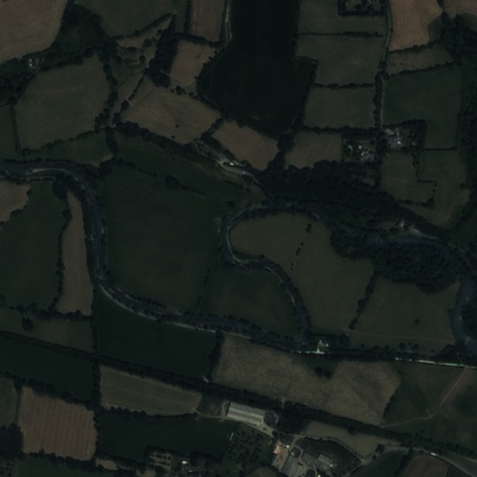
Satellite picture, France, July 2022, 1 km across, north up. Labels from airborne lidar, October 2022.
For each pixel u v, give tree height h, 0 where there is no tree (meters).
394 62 0
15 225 0
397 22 0
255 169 6
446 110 0
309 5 0
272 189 14
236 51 0
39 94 0
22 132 0
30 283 0
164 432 0
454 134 0
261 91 0
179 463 6
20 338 7
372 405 0
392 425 0
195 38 13
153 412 0
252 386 0
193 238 0
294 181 20
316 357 12
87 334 0
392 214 16
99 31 15
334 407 0
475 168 6
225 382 0
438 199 0
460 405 0
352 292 0
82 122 0
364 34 12
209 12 0
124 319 0
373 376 0
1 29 0
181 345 0
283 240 0
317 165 15
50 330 0
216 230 0
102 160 0
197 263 0
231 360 0
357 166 14
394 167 0
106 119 16
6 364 0
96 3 0
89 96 0
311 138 0
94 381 7
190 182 0
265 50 0
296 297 8
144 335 0
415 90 0
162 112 0
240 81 0
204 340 0
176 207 0
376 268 9
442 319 0
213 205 0
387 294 0
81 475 0
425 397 0
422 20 0
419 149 12
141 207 0
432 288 17
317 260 0
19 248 0
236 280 0
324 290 0
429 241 9
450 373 0
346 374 0
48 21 0
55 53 7
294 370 0
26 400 0
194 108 0
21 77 9
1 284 0
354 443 0
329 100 0
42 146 0
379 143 14
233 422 0
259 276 0
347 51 0
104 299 0
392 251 16
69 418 0
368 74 0
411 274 12
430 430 0
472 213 13
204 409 0
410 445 6
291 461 0
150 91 0
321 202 17
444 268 9
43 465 0
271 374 0
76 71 0
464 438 0
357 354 10
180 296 0
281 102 0
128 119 0
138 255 0
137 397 0
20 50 0
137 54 0
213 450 0
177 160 0
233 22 0
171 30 12
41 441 0
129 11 0
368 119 0
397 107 0
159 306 15
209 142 18
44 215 0
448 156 0
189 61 0
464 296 0
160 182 0
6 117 0
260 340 7
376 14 14
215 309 0
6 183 0
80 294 0
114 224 0
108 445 0
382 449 14
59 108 0
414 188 0
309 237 0
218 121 9
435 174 0
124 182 0
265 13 0
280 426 10
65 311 0
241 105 0
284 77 0
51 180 8
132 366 7
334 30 0
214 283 0
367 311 0
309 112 0
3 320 0
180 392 0
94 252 22
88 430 0
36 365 0
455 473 0
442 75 0
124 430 0
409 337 0
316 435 0
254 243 0
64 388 0
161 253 0
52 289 0
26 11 0
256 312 0
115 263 0
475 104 8
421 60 0
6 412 0
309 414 7
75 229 0
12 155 0
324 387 0
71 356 7
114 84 7
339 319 0
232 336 0
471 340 0
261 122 0
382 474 0
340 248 12
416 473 0
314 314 0
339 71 0
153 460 7
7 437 30
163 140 8
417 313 0
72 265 0
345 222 9
